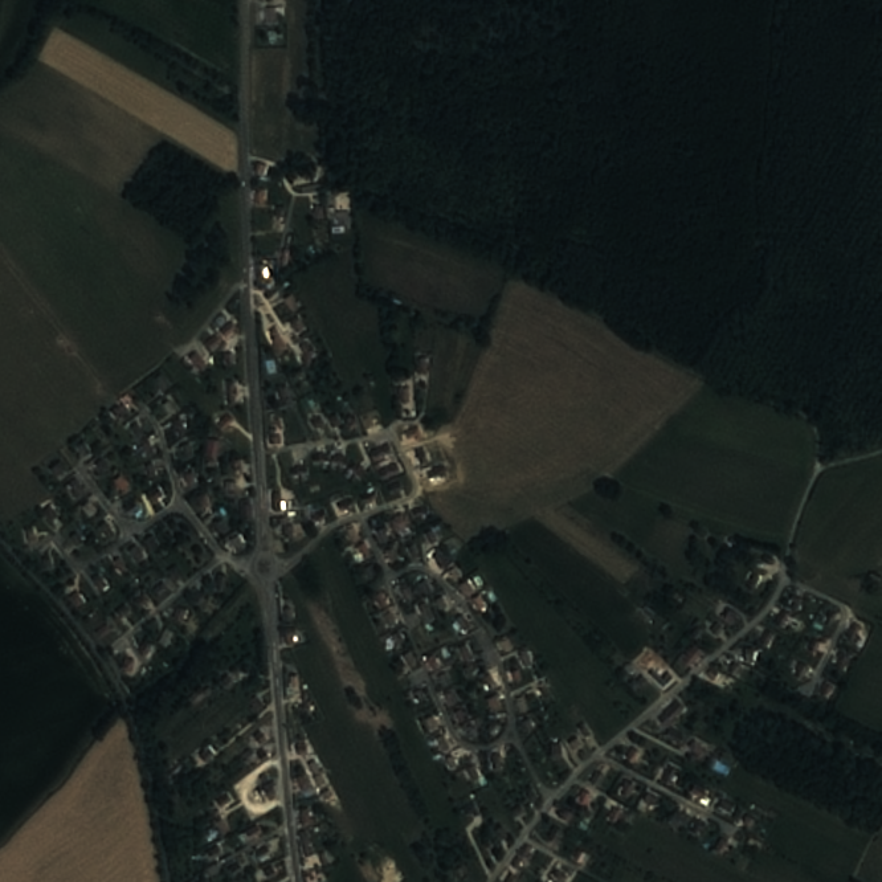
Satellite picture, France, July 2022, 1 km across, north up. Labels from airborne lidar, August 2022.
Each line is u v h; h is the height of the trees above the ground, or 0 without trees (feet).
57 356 0
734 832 0
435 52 54
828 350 27
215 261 78
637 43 32
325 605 0
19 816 0
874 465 0
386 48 48
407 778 46
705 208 39
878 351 18
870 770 65
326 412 20
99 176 0
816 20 52
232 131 0
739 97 29
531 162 60
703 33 35
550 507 0
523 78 32
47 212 0
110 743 0
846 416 18
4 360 0
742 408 0
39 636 0
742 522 0
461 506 0
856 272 35
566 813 0
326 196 21
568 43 48
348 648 0
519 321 0
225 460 29
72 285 0
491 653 0
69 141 0
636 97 58
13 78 50
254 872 27
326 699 0
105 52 0
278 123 0
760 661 31
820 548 0
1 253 0
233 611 0
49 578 35
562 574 0
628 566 0
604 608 0
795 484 0
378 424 0
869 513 0
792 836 0
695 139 39
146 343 0
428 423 49
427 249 0
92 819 0
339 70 56
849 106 28
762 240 32
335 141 69
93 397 0
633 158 57
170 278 0
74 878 0
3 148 0
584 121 40
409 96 35
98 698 0
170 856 24
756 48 38
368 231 0
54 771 0
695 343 59
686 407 0
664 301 61
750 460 0
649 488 0
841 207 36
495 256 61
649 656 0
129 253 0
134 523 0
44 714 0
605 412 0
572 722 0
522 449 0
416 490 0
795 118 52
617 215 47
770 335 66
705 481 0
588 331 0
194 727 0
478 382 0
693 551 36
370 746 0
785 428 0
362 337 0
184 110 0
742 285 42
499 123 42
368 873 0
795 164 61
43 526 0
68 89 0
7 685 0
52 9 79
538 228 44
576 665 0
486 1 58
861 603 0
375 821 0
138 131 0
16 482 0
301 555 0
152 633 20
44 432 0
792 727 77
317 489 0
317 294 0
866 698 0
